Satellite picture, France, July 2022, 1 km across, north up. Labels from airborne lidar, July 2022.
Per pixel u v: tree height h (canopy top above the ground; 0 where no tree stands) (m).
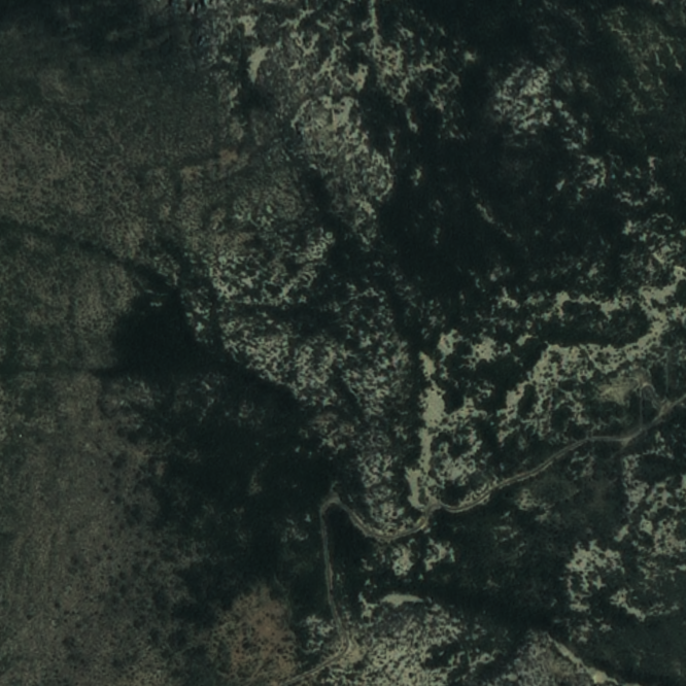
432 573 8
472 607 9
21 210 0
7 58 0
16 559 0
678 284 5
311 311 6
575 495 6
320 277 6
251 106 6
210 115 0
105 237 0
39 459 0
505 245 6
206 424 7
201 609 7
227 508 7
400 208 7
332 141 0
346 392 6
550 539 6
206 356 9
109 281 0
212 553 6
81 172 0
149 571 6
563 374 7
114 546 0
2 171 0
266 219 0
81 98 0
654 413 6
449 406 12
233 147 0
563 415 7
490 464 8
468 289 9
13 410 0
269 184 0
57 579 0
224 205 0
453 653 7
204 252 0
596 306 6
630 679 6
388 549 7
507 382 9
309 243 0
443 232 6
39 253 0
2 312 0
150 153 0
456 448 7
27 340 0
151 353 6
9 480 0
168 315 6
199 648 6
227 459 6
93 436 0
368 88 7
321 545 5
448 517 7
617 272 9
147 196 0
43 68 0
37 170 0
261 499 6
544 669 0
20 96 0
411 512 6
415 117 6
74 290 0
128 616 0
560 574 6
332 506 7
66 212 0
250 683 0
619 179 6
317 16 7
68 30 6
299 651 5
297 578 6
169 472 6
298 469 8
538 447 7
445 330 8
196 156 0
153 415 7
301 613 6
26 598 0
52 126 0
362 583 6
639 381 0
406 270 6
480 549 7
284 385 6
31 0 12
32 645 0
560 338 7
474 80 6
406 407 6
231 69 8
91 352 0
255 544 8
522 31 7
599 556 6
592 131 6
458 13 7
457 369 6
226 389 6
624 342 6
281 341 0
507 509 10
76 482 0
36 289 0
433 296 6
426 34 7
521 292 6
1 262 0
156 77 0
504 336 8
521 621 7
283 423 7
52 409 0
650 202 7
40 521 0
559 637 6
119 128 0
